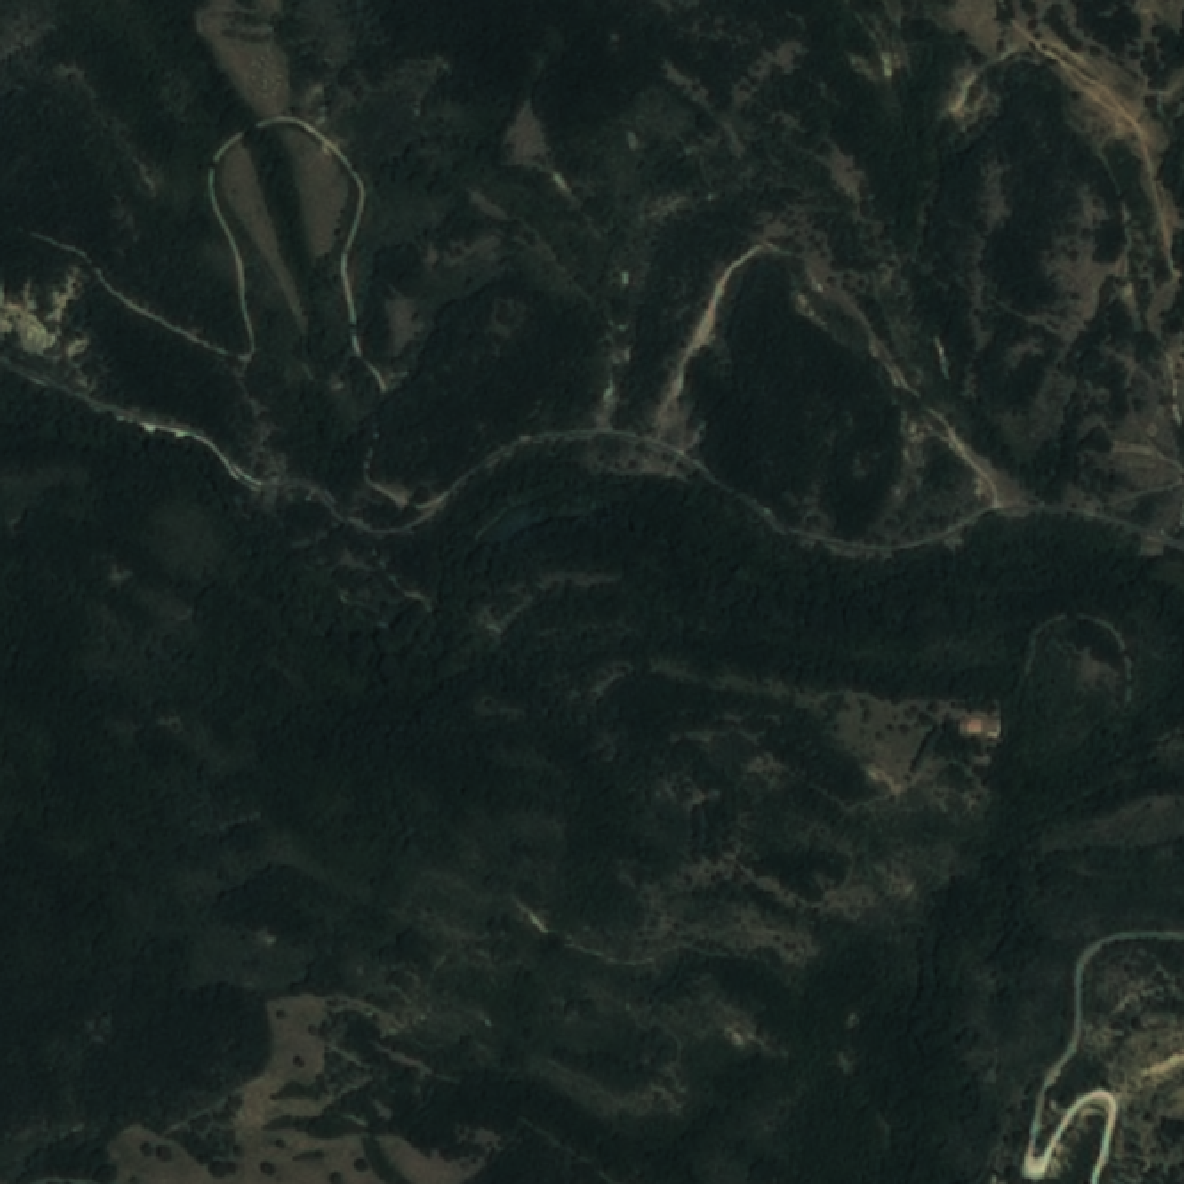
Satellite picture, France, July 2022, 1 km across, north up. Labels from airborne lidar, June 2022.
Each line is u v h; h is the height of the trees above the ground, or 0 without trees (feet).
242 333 25
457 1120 30
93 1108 27
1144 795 28
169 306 24
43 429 53
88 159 19
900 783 0
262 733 24
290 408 25
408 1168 0
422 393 32
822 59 26
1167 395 26
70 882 36
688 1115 19
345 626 63
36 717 37
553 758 39
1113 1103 0
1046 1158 0
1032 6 27
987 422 21
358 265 0
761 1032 24
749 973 34
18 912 32
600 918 25
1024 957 31
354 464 27
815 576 30
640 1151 29
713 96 21
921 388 19
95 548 36
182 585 37
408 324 0
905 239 39
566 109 34
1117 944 22
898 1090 59
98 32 28
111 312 29
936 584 45
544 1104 25
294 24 23
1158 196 0
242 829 30
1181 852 22
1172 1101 0
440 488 21
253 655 41
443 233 23
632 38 28
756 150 23
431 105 19
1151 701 22
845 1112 38
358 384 20
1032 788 41
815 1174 35
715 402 31
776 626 34
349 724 41
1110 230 23
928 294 38
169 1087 19
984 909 39
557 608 36
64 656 57
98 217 31
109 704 36
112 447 38
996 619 22
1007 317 20
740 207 19
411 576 24
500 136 22
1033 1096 23
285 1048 0
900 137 21
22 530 23
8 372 25
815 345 30
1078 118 0
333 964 19
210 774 24
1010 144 22
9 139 31
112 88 31
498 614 30
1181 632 34
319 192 0
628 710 30
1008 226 28
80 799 41
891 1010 27
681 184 23
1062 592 41
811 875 22
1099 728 22
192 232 34
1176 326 30
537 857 27
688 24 23
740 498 22
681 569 26
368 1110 24
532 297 30
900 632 20
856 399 21
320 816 23
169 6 45
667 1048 20
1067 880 25
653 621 26
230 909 26
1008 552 41
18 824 21
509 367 29
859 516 32
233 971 0
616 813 45
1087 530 37
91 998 28
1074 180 26
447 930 0
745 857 19
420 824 22
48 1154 21
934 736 40
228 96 31
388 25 30
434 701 44
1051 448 42
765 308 25
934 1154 18
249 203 0
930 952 40
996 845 34
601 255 20
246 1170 0
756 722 22
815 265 0
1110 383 20
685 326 20
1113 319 21
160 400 32
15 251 33
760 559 25
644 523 50
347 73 21
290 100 0
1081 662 20
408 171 37
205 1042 23
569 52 27
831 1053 34
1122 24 33
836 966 20
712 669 20
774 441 23
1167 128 0
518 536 20
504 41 33
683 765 22
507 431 32
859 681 32
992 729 0
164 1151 28
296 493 27
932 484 25
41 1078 24
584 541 47
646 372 23
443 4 31
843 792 36
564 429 31
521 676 38
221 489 34
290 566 39
